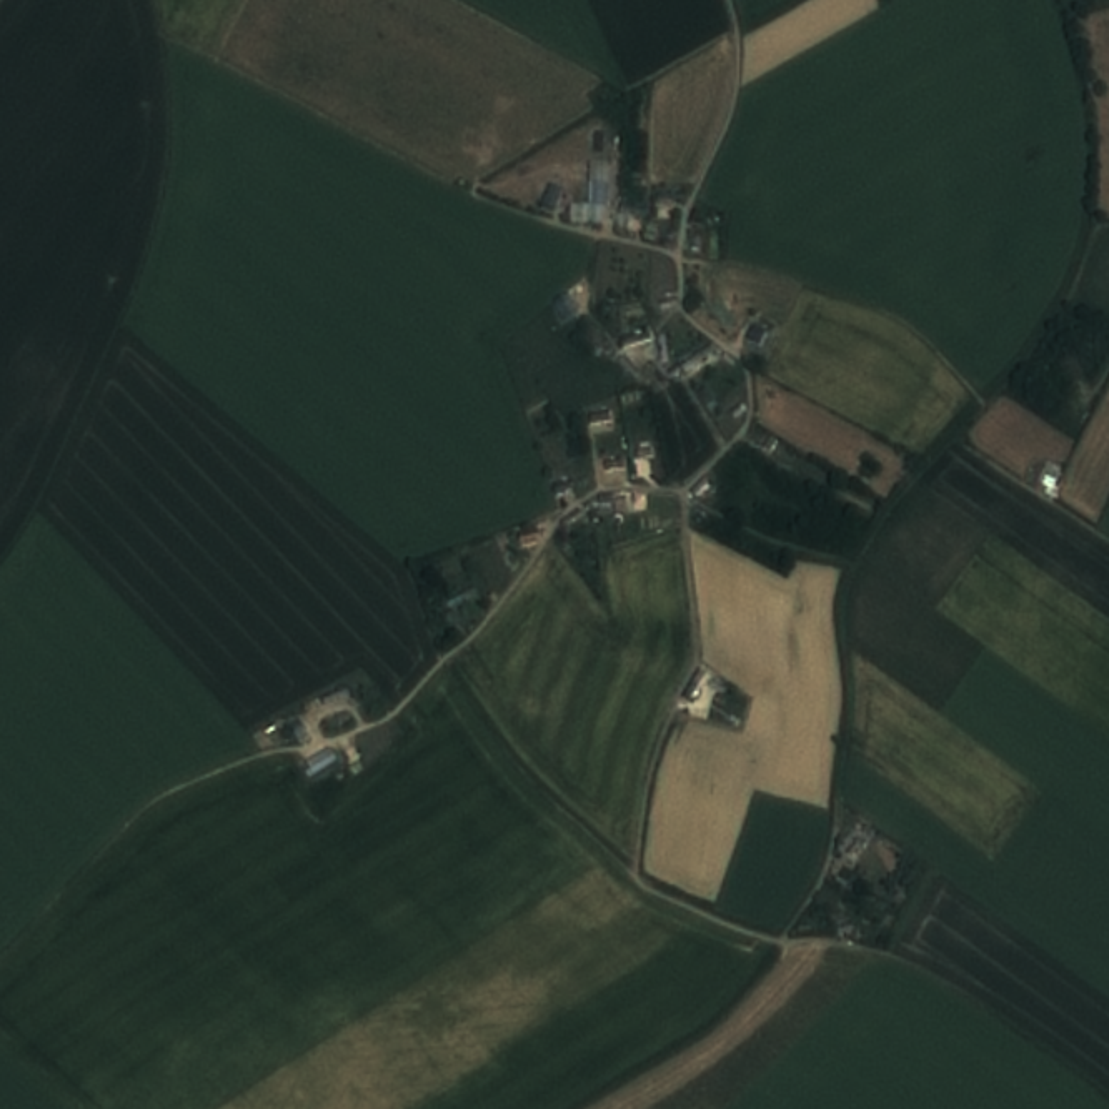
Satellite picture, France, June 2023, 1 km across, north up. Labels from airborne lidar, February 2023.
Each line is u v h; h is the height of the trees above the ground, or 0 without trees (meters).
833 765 0
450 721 0
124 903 0
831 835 0
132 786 0
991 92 0
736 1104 0
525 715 0
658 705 0
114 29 0
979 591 0
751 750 0
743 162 0
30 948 0
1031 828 0
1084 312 14
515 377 0
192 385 0
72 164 0
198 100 0
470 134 0
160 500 0
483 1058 0
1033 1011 0
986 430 0
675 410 0
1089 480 0
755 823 0
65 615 0
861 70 0
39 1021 0
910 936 0
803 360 0
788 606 0
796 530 16
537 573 0
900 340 0
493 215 0
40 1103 0
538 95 0
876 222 0
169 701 0
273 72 0
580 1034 0
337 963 0
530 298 0
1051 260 0
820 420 0
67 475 0
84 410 0
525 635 0
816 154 0
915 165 0
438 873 0
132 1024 0
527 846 0
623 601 0
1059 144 0
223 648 0
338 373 0
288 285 0
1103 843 0
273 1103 0
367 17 0
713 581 0
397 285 0
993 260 0
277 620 0
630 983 0
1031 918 0
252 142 0
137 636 0
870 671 0
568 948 0
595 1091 0
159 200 0
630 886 0
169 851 0
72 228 0
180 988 0
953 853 0
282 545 0
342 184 0
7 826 0
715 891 0
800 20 0
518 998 0
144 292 0
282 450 0
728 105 0
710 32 0
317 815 0
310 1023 0
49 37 0
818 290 0
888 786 0
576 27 0
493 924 0
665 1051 0
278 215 0
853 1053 0
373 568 0
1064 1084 0
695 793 0
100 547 0
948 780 0
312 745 0
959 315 0
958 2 0
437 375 0
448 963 0
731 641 0
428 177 0
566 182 0
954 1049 0
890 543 0
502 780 0
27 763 0
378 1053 0
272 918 0
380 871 0
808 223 0
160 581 0
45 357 0
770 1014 0
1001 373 0
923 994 0
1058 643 0
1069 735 0
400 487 0
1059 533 0
